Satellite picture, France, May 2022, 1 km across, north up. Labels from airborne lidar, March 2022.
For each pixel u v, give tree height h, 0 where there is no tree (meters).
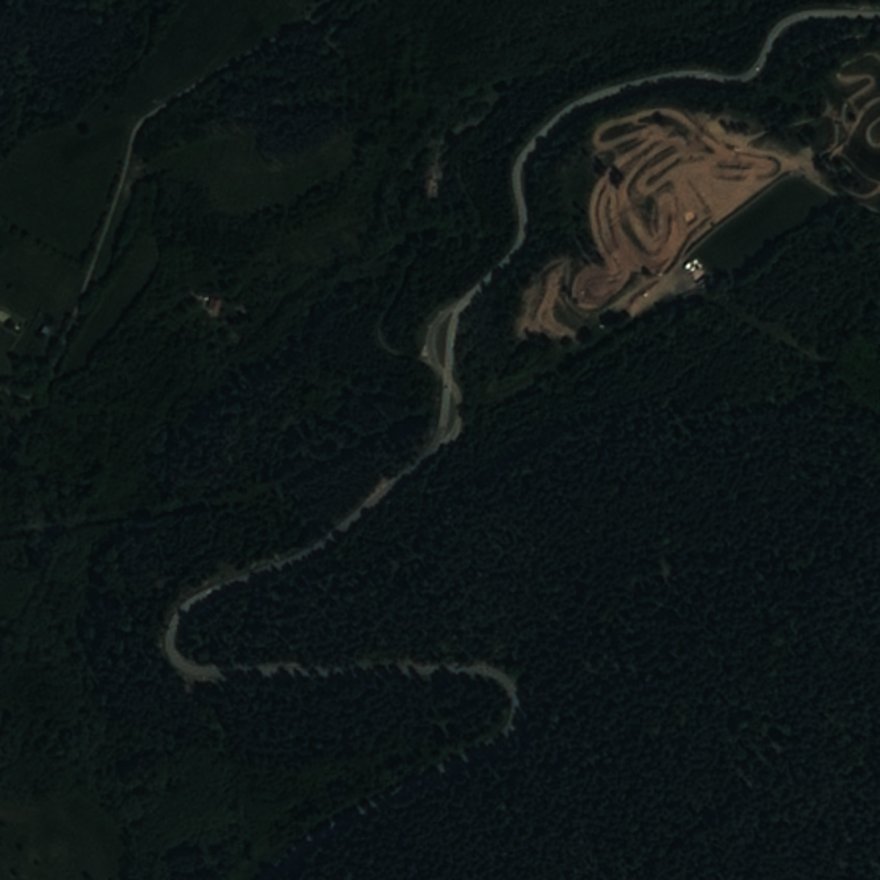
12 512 8
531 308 0
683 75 0
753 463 35
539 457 32
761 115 20
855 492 32
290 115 23
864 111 0
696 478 33
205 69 0
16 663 13
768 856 34
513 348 8
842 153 0
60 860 0
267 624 10
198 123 25
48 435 11
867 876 32
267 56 23
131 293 0
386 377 19
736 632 32
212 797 17
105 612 27
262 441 11
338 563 14
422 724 31
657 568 33
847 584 25
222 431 29
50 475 7
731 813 29
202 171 0
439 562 29
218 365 19
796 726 30
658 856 30
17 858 0
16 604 19
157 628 11
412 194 18
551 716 27
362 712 32
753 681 34
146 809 24
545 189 22
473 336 10
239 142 0
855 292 12
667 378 13
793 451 32
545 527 34
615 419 29
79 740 24
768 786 30
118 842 0
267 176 0
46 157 0
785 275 13
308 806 7
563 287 0
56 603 10
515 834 35
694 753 33
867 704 32
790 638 32
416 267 13
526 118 8
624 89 0
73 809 0
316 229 0
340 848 36
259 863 0
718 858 30
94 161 0
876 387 19
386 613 30
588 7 9
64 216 0
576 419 13
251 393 29
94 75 18
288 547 15
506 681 0
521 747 32
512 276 13
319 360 7
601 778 32
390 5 9
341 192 10
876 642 34
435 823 32
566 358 0
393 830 33
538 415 12
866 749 18
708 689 32
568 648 30
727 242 0
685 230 0
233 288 15
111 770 16
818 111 18
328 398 11
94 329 0
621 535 33
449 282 10
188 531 12
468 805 34
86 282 0
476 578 31
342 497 29
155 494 6
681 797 35
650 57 11
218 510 16
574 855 34
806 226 7
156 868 26
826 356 11
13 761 18
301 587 30
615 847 34
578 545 30
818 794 32
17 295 0
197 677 0
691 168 0
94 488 22
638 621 35
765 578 30
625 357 8
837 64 14
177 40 0
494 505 32
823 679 32
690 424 13
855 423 34
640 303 0
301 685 27
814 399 31
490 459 10
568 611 34
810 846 34
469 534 32
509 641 32
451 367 0
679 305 11
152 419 17
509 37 12
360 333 11
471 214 18
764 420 29
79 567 19
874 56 0
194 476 34
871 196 0
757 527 34
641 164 0
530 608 33
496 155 10
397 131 9
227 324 7
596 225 0
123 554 28
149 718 30
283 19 0
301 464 26
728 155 0
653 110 0
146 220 11
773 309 12
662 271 0
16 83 30
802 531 35
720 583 33
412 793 31
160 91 0
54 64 28
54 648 24
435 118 18
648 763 33
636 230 0
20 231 7
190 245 12
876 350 23
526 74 14
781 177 0
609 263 0
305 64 26
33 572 16
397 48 25
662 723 30
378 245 27
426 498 11
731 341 11
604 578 34
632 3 9
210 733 22
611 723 29
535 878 32
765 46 0
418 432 28
